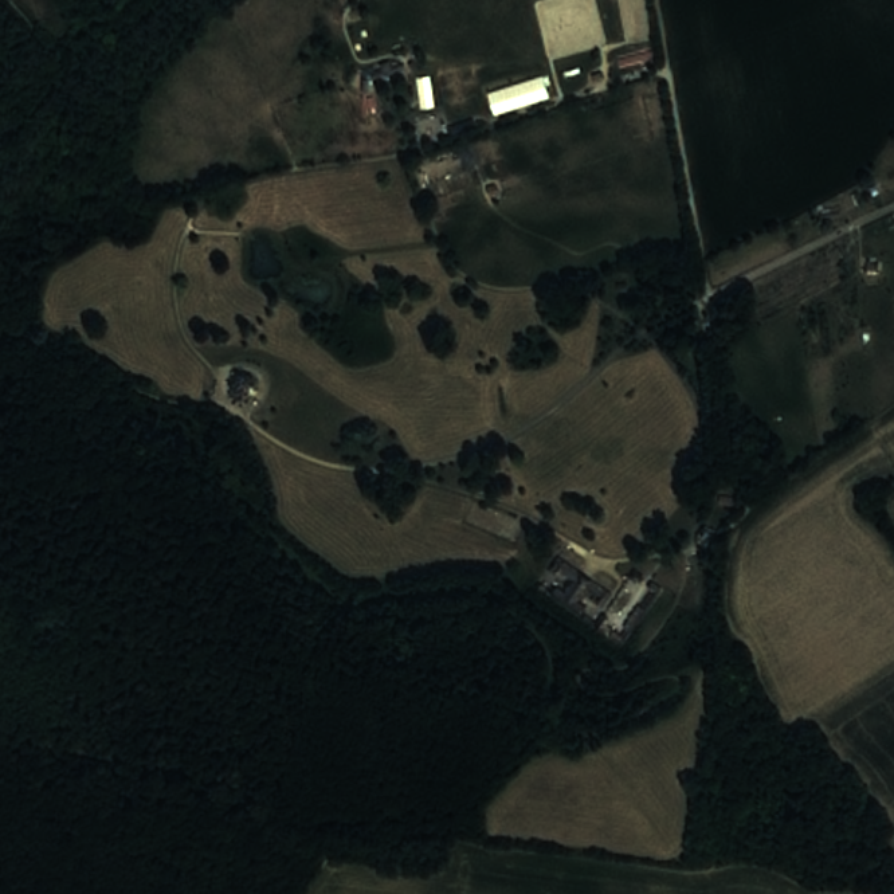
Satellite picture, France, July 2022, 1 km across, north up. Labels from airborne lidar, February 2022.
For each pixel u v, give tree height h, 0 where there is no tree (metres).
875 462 0
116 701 24
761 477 25
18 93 18
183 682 18
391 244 0
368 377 0
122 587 21
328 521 0
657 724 13
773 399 0
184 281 11
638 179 0
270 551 16
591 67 0
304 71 0
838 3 0
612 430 0
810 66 0
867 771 0
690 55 0
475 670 16
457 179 0
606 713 6
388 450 0
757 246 0
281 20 0
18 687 19
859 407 0
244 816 25
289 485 0
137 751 17
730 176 0
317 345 0
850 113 0
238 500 36
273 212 0
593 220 0
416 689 16
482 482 27
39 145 16
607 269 16
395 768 20
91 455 26
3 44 13
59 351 21
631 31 0
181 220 0
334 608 21
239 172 21
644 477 0
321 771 21
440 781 19
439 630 19
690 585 0
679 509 0
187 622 21
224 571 23
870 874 13
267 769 21
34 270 11
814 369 0
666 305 21
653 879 0
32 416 22
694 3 0
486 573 24
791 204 0
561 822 0
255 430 0
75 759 10
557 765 0
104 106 17
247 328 25
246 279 0
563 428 0
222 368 0
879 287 0
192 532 26
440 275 0
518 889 0
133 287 0
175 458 19
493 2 0
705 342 17
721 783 15
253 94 0
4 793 24
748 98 0
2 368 23
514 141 0
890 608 0
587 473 0
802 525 0
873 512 12
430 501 0
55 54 16
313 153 0
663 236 0
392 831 18
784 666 0
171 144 0
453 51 0
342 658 11
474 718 17
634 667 20
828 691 0
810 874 17
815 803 28
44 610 21
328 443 0
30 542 23
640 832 0
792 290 0
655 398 0
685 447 0
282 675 14
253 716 22
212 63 0
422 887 0
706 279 16
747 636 0
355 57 0
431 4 0
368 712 19
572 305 23
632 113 0
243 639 26
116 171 18
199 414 23
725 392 16
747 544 0
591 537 9
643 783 0
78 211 23
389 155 0
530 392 0
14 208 23
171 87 0
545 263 0
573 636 9
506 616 25
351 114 0
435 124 0
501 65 0
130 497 28
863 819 21
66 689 18
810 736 21
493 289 0
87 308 0
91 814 24
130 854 26
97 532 21
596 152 0
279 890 18
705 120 0
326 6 0
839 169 0
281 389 0
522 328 0
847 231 0
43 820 29
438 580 22
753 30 0
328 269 0
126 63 22
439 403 0
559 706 30
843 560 0
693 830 15
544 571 0
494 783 19
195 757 21
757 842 19
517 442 0
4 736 26
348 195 0
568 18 0
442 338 32
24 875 25
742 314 9
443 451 0
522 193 0
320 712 20
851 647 0
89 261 0
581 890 0
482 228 0
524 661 21
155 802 23
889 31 0
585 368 0
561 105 7
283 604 21
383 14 0
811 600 0
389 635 13
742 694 18
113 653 22
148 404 6
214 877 23
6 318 21
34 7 0
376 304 23
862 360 0
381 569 0
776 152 0
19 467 28
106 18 12
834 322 0
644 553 24
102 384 26
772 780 23
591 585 0
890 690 0
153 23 22
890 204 0
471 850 0
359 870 0
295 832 27
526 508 0
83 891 31
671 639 0
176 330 0
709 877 0
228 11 25
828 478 0
